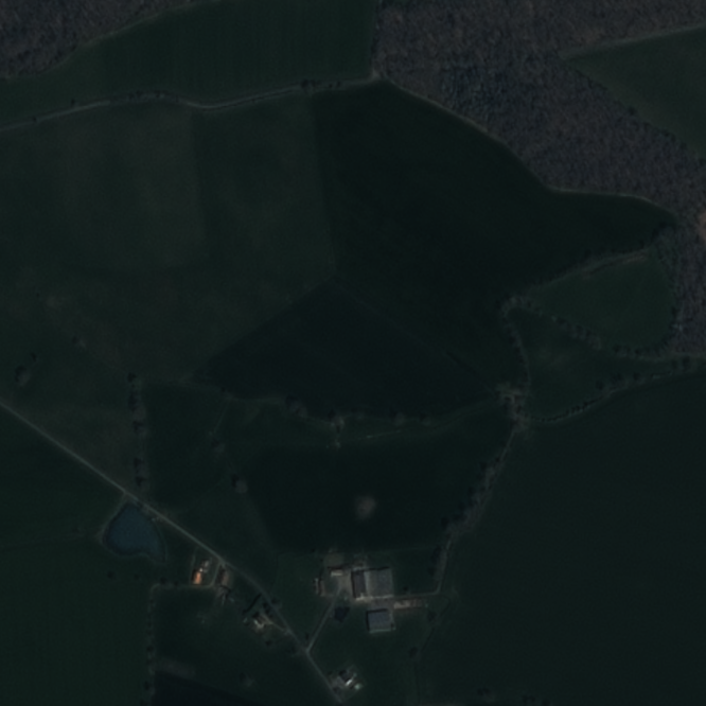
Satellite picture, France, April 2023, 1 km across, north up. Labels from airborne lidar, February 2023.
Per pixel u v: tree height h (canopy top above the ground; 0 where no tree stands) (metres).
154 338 0
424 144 0
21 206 0
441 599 0
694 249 24
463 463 0
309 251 0
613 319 0
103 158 0
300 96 0
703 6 20
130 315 0
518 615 0
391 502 0
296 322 0
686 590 0
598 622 0
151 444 0
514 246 0
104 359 0
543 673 0
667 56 0
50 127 0
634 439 0
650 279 0
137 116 0
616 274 0
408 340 0
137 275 0
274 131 0
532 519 0
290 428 0
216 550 0
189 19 0
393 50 19
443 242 0
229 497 0
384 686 0
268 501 0
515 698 0
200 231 0
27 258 0
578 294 0
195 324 0
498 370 0
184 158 0
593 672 0
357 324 0
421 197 0
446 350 0
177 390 0
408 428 0
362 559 0
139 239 0
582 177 16
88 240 0
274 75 0
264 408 0
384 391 0
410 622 0
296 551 0
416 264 0
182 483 0
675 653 0
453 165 0
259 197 0
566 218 0
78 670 0
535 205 0
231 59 0
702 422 0
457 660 0
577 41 23
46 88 0
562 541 0
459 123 0
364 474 0
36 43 18
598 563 0
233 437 0
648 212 0
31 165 0
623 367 0
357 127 0
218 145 0
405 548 0
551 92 21
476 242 0
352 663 0
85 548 0
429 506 0
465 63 20
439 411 0
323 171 0
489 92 20
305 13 0
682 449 0
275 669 0
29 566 0
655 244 12
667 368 0
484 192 0
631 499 0
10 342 0
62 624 0
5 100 0
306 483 0
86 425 0
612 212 0
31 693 0
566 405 0
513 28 21
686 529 0
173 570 0
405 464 0
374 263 0
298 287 0
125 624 0
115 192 0
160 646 0
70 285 0
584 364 0
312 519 0
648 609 0
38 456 0
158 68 0
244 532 0
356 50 0
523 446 0
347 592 0
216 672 0
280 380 0
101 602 0
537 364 0
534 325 0
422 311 0
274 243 0
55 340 0
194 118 0
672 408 0
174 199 0
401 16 18
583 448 0
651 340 0
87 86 0
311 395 0
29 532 0
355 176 0
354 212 0
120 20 20
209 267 0
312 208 0
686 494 0
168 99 12
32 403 0
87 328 0
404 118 0
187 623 0
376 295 0
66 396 0
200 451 0
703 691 0
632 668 0
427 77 14
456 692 0
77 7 29
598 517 0
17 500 0
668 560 0
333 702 0
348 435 0
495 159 0
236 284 0
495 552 0
